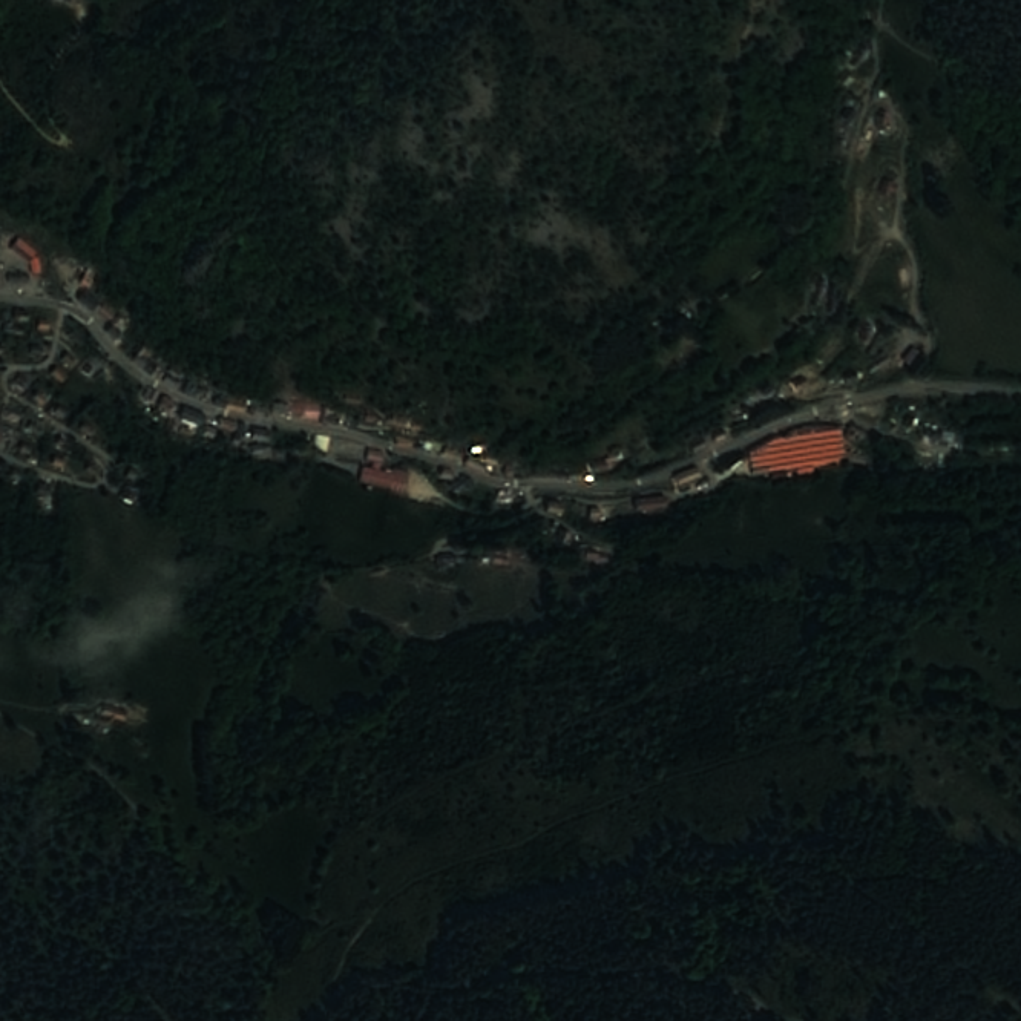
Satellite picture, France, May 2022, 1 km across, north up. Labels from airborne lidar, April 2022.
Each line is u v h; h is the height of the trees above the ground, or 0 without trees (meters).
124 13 0
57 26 0
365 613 0
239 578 11
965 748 12
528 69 10
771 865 31
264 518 12
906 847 19
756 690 5
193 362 6
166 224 24
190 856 0
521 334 10
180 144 10
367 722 27
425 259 18
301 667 0
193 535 7
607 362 22
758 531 0
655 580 12
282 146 12
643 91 8
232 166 16
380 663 12
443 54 11
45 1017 21
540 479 0
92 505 0
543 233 0
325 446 0
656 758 6
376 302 20
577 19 13
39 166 13
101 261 20
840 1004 0
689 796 0
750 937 29
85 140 0
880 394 0
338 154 10
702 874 22
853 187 0
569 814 0
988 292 0
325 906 0
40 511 7
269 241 17
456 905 0
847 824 20
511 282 16
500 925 31
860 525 0
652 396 21
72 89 0
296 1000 0
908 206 6
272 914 17
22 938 19
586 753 8
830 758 0
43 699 0
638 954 28
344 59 8
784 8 8
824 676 19
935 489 27
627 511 0
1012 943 25
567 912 27
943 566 19
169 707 0
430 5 10
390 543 0
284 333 9
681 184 17
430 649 13
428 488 0
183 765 0
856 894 21
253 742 25
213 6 23
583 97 13
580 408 16
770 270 16
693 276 6
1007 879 23
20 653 0
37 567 19
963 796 0
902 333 0
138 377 0
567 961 29
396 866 0
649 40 12
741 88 21
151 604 0
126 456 12
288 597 7
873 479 26
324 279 19
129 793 0
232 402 0
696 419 24
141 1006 30
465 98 9
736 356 0
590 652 6
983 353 0
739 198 20
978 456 13
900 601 13
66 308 0
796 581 19
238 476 12
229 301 8
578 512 0
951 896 19
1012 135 17
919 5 0
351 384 14
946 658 0
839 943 23
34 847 12
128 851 16
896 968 25
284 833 0
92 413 10
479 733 6
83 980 21
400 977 22
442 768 6
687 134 7
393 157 8
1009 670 7
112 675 0
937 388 0
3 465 14
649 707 9
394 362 11
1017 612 0
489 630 8
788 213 23
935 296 0
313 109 12
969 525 28
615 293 10
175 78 22
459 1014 28
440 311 11
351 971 0
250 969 22
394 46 9
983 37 24
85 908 22
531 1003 23
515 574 0
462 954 26
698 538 0
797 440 0
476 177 6
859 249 0
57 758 11
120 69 20
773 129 7
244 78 7
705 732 8
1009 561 27
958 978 27
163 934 15
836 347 0
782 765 0
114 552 0
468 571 0
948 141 0
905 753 0
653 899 30
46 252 0
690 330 22
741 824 0
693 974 24
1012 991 25
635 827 0
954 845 14
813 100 16
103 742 0
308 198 14
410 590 0
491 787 0
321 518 0
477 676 6
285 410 0
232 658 8
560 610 20
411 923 0
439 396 0
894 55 0
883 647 11
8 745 0
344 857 0
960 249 0
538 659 14
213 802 26
